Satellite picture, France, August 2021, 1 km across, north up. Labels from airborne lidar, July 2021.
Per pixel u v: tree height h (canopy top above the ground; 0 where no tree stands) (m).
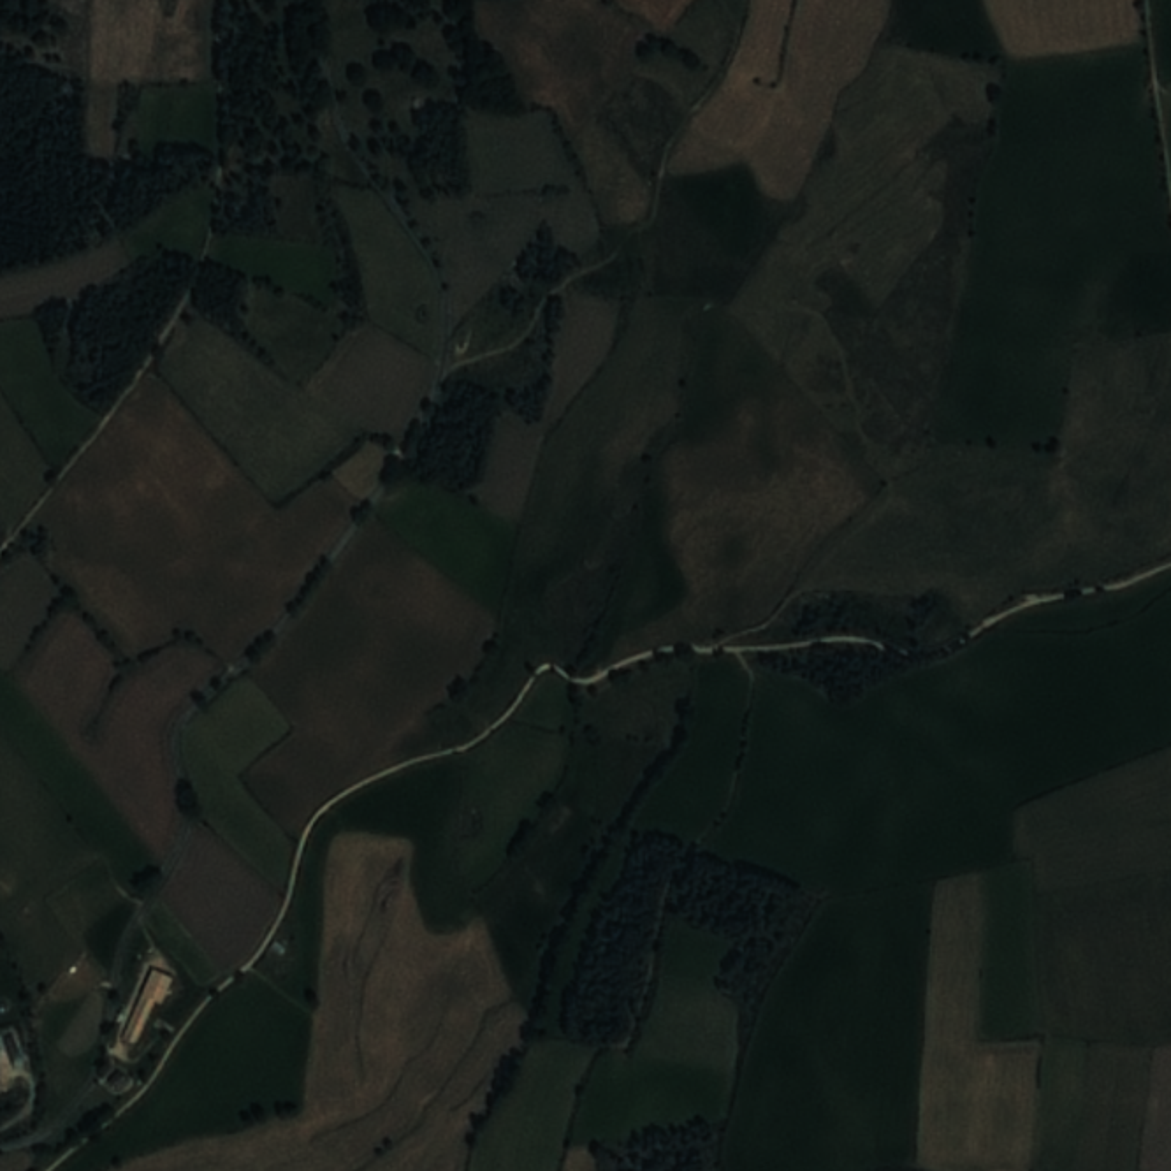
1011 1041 0
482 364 0
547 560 0
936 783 0
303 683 0
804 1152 0
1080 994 0
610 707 0
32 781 0
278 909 0
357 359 0
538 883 0
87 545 0
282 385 0
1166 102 0
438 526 0
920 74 0
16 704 0
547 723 0
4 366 0
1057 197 0
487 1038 0
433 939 0
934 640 0
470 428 15
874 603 0
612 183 0
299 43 21
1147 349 0
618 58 0
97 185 11
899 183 0
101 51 0
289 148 18
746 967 6
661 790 0
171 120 0
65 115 9
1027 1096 0
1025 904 0
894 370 0
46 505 0
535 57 0
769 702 0
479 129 0
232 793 0
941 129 0
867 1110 0
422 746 0
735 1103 0
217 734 0
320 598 0
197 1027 0
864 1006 0
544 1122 0
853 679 13
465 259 0
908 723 0
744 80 0
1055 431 0
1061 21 0
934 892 0
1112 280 0
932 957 0
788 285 0
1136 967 0
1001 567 0
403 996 0
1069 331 0
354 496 0
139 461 0
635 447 0
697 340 0
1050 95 0
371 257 0
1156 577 0
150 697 0
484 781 0
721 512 0
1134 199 0
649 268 0
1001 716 0
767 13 0
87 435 0
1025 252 0
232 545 0
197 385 0
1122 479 0
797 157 0
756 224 0
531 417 12
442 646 0
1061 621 0
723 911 16
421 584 0
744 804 0
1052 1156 0
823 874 0
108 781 0
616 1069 0
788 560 0
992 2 0
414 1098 0
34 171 12
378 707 0
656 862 13
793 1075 0
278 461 0
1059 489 0
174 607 0
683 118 0
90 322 17
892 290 0
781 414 0
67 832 0
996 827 0
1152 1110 0
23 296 0
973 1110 0
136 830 0
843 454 0
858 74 0
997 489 0
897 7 0
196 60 0
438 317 0
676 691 0
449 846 0
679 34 0
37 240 13
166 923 0
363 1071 0
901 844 0
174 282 14
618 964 16
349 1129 0
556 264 18
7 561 9
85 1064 0
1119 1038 0
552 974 14
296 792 0
